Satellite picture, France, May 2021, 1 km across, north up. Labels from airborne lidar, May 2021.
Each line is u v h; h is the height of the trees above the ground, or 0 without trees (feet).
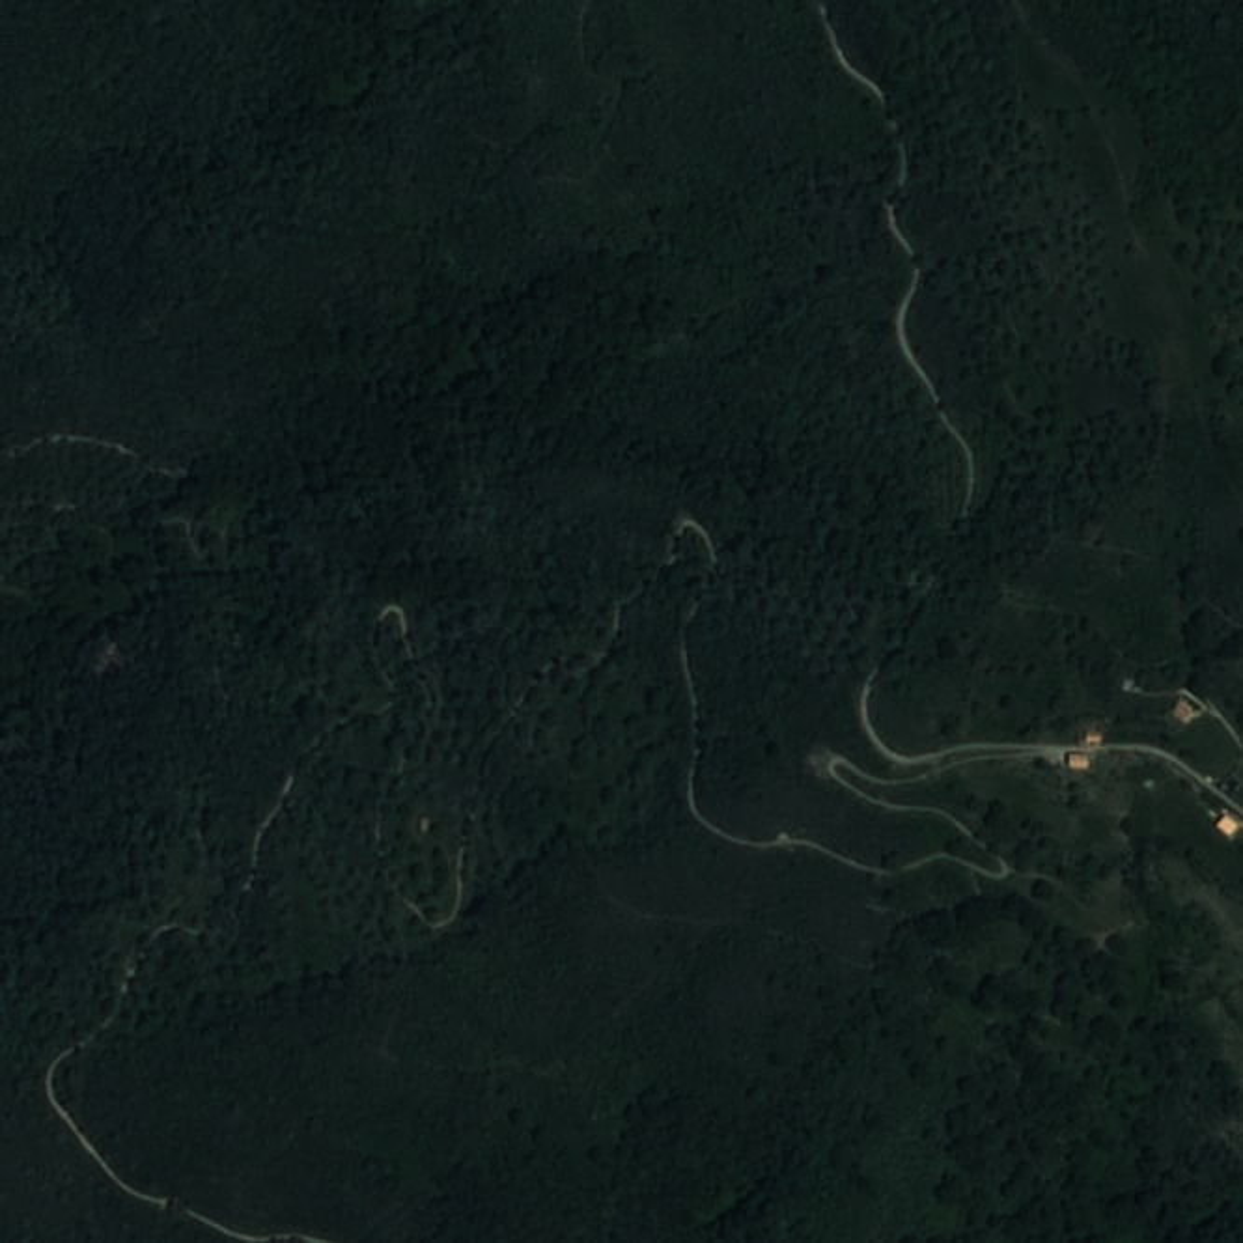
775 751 52
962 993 34
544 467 28
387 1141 18
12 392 18
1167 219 0
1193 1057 19
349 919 37
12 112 39
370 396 70
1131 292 0
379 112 55
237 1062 17
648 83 32
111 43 64
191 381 35
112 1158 31
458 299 47
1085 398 0
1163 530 26
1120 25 28
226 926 69
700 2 22
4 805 57
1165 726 21
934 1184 20
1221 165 38
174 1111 20
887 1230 24
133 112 59
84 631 29
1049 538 30
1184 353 0
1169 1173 23
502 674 34
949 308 39
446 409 48
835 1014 21
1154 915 24
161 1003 37
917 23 17
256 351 24
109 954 43
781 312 22
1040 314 29
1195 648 50
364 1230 19
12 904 35
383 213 26
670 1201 51
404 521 53
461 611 51
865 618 41
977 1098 19
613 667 44
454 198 20
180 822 37
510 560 34
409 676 37
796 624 31
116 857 44
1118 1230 21
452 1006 21
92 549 55
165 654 52
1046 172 46
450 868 38
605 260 62
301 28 55
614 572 31
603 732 63
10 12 43
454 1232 60
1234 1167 39
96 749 65
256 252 22
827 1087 57
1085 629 33
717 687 24
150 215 55
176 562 71
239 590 72
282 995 54
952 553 48
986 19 32
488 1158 24
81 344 38
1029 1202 21
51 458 33
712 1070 19
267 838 26
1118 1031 32
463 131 25
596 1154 53
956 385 24
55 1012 28
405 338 50
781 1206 44
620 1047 20
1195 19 22
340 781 34
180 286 31
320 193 40
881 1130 38
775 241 31
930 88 24
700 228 18
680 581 48
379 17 50
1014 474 33
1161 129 20
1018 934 0
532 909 33
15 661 73
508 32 24
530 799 30
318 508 46
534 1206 26
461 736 41
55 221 77
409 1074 21
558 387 68
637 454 54
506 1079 20
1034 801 0
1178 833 0
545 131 46
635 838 22
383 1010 25
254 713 42
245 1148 22
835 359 23
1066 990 51
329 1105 21
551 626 54
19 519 34
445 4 24
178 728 38
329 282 33
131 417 21
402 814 34
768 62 19
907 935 24
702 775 25
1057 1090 66
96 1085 35
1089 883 26
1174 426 20
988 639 26
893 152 27
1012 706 41
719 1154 53
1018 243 48
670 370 25
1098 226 30
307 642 24
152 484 61
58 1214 17
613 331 53
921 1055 19
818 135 18
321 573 44
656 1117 66
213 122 38
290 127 72
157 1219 32
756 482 33
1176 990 45
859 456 20
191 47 43
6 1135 19
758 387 29
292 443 68
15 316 55
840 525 17
